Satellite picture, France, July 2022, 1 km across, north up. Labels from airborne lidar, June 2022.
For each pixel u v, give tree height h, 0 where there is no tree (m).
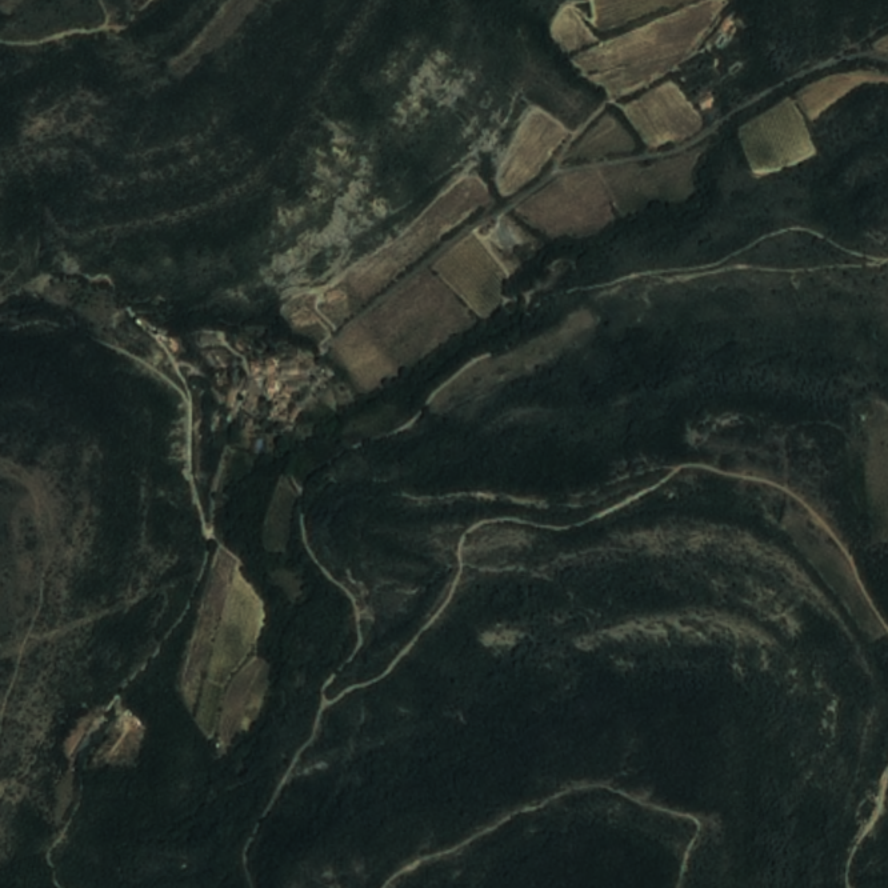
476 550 0
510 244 0
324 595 9
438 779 7
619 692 8
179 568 7
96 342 9
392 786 7
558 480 6
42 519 0
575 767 6
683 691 6
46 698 6
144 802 14
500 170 0
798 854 16
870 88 6
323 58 5
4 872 7
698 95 14
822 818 7
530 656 8
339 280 0
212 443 8
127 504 7
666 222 7
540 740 8
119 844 12
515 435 8
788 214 0
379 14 5
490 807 9
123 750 0
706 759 5
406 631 8
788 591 0
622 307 0
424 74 0
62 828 7
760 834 13
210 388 10
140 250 5
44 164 6
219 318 9
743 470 0
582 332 0
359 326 0
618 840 7
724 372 5
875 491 0
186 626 5
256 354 7
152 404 7
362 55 8
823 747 8
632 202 0
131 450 6
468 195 0
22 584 0
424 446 6
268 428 9
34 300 6
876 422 0
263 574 11
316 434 10
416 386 16
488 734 6
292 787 7
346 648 8
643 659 6
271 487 11
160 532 8
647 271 0
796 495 0
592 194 0
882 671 6
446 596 0
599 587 6
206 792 9
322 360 11
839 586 0
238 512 10
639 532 0
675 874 6
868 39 7
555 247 13
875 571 7
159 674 6
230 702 0
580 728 6
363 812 6
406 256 0
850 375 6
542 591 6
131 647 6
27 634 0
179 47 6
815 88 0
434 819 6
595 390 7
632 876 7
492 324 9
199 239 6
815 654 9
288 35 6
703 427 6
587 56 0
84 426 6
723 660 7
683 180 0
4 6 0
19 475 0
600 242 7
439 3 8
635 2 0
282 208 0
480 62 0
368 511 6
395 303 0
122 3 0
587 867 9
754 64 7
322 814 6
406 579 6
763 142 0
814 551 0
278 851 8
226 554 0
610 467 8
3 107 6
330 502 6
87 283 8
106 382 8
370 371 0
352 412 13
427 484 6
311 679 6
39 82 7
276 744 5
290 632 9
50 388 6
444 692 6
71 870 8
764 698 10
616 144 0
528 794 6
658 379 6
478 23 9
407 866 0
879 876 8
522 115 0
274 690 10
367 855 6
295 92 5
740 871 6
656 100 0
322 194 0
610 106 9
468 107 0
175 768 7
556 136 0
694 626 0
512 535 0
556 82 0
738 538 0
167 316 6
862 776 6
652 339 6
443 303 0
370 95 6
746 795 6
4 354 8
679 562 6
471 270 0
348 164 0
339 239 0
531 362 0
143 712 14
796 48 10
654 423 6
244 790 7
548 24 8
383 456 7
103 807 8
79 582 7
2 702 0
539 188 0
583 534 7
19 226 6
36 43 0
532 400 6
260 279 0
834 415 10
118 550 7
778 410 7
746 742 7
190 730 6
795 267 0
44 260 9
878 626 0
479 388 0
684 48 0
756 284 0
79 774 10
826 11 6
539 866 7
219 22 0
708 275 0
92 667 6
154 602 7
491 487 9
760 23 5
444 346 9
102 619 7
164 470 7
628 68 0
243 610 0
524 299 10
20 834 7
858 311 0
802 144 0
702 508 5
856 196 6
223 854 8
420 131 7
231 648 0
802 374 8
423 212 0
